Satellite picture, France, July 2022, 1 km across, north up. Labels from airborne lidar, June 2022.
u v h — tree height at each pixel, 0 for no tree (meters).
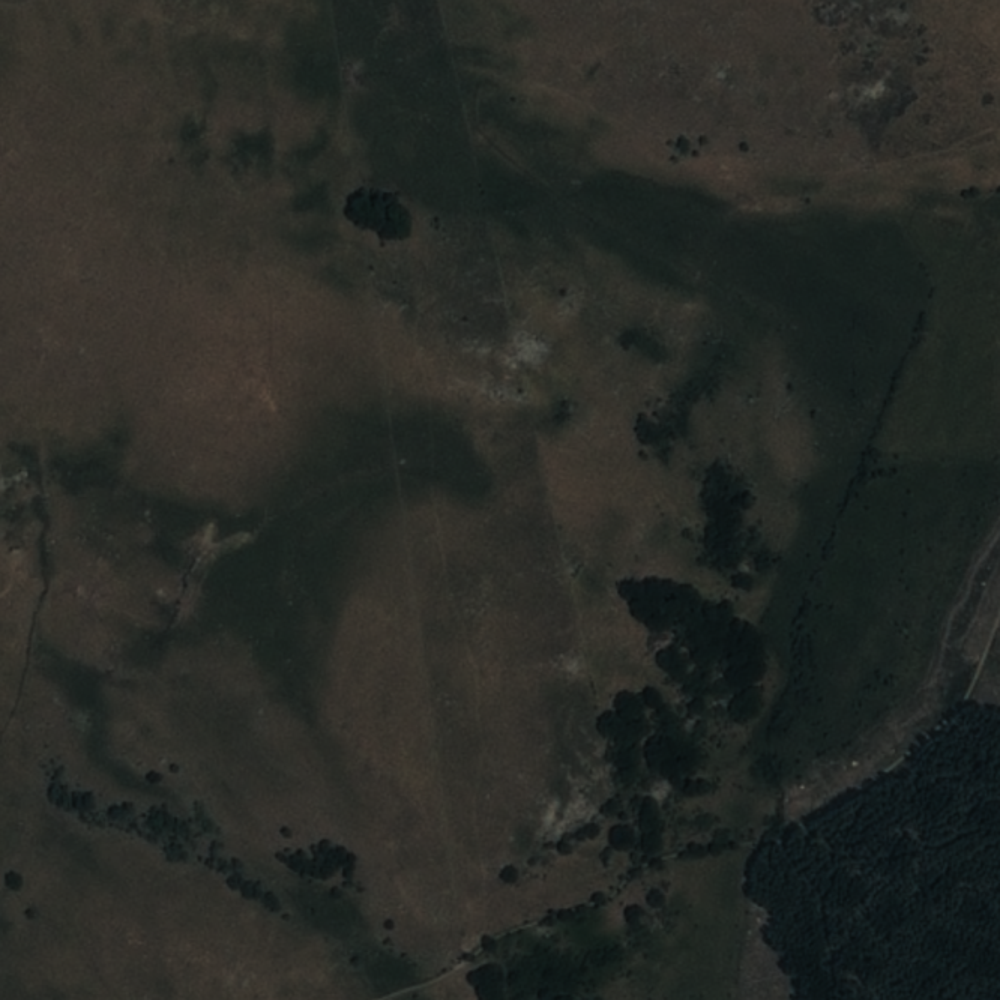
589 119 0
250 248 0
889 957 15
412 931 0
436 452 0
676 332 0
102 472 0
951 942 16
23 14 0
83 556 0
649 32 0
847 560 0
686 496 0
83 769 0
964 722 20
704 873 0
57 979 0
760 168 0
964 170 0
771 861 20
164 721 0
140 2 0
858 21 0
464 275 0
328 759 0
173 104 0
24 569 0
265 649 0
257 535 0
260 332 0
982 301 0
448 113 0
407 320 0
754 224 0
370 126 0
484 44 0
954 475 0
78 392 0
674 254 0
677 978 0
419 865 0
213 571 0
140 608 0
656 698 17
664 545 0
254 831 0
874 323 0
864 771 0
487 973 13
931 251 0
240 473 0
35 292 0
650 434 12
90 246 0
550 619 0
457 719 0
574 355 0
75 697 0
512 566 0
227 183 0
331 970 0
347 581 0
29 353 0
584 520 0
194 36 0
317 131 0
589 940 0
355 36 0
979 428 0
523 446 0
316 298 0
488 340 0
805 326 0
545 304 0
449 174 0
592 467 0
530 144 0
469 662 0
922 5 0
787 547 0
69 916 0
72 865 0
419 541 0
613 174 0
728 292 0
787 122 0
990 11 0
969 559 0
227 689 0
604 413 0
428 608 0
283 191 0
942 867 18
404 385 0
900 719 0
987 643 0
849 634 0
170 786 0
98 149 0
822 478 0
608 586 0
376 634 0
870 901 15
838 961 20
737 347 0
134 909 0
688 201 0
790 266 0
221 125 0
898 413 0
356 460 0
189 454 0
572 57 0
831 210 0
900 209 0
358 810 0
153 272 0
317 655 0
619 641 0
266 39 0
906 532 0
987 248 0
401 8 0
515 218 0
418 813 0
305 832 0
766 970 0
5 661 0
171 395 0
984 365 0
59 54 0
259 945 0
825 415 0
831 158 0
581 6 0
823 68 0
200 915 0
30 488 0
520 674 0
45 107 0
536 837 0
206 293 0
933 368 0
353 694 0
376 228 19
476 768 0
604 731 12
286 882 0
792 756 0
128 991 0
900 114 0
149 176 0
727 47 0
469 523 0
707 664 16
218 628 0
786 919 22
